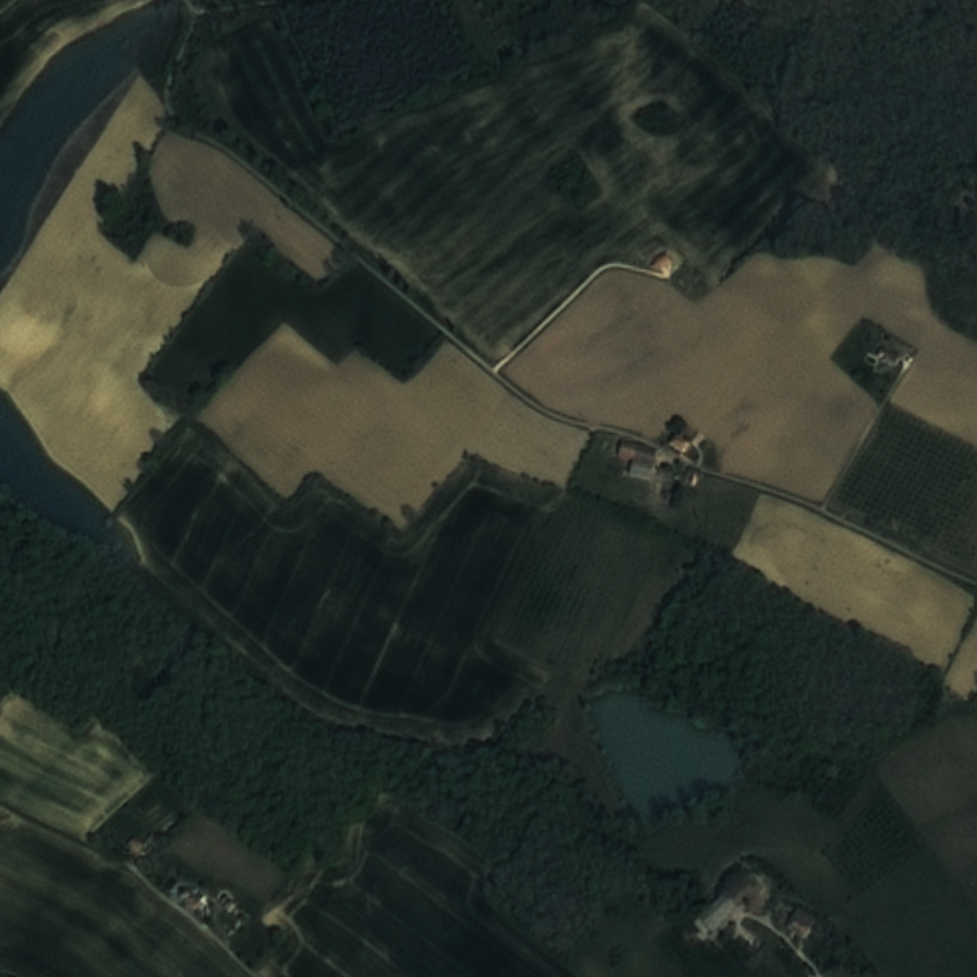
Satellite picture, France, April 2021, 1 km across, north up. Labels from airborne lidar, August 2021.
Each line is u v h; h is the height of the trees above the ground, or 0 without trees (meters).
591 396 0
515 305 0
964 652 0
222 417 0
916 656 9
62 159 0
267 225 0
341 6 16
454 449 0
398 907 0
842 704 19
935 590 0
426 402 0
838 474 0
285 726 20
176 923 0
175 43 7
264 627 0
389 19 13
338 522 0
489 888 14
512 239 0
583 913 22
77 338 0
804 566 0
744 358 0
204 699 23
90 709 18
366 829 0
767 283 0
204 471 0
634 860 19
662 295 0
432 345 8
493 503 0
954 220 11
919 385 0
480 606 0
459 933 0
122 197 16
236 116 0
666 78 15
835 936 11
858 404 0
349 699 0
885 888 0
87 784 0
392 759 21
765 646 27
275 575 0
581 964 0
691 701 7
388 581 0
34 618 19
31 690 20
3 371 0
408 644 0
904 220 23
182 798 13
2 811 0
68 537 9
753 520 0
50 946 0
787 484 0
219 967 0
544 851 17
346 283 0
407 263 0
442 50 15
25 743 0
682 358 0
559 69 0
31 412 0
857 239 22
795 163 0
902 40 20
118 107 0
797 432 0
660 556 0
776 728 24
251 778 28
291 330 0
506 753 15
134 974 0
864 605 0
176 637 19
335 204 0
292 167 0
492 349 0
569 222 0
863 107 21
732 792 7
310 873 0
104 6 0
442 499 0
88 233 0
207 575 0
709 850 0
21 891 0
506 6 12
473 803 22
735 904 0
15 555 23
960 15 14
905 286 0
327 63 16
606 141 0
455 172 0
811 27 16
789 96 16
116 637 13
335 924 0
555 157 0
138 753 16
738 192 0
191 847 0
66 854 0
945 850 0
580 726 0
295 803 20
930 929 0
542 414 0
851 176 22
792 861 0
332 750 22
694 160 0
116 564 13
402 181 0
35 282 0
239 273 0
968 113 18
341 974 0
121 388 0
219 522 0
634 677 21
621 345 0
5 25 0
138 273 0
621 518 7
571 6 23
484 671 0
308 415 0
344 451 0
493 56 0
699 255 0
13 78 0
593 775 0
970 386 0
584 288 0
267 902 0
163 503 0
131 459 0
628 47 0
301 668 0
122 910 0
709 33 14
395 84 13
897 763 0
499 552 0
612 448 0
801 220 23
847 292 0
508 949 0
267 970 0
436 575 0
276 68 0
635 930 0
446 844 0
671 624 20
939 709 24
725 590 24
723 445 0
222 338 0
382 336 0
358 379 0
